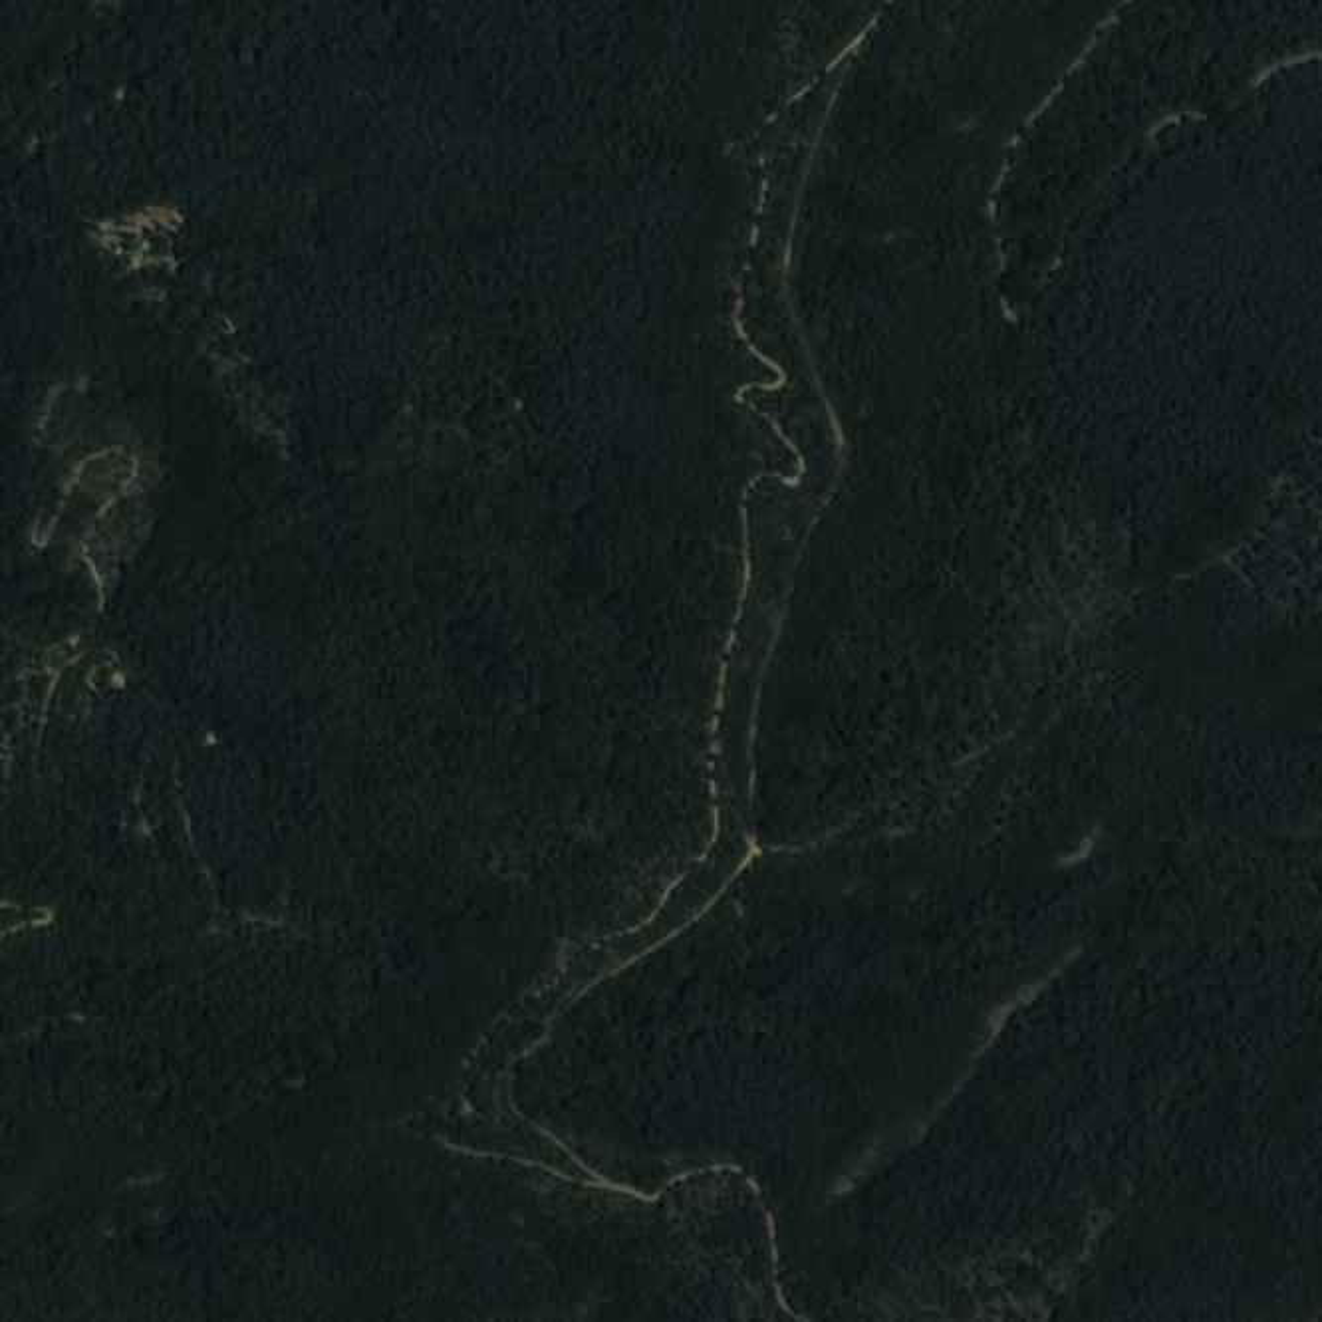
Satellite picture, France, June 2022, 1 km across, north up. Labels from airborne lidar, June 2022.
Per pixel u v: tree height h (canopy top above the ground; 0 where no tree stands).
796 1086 12
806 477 7
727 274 8
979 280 11
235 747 18
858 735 7
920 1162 10
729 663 9
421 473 9
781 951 8
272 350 11
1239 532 7
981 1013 10
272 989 10
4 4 8
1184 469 16
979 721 8
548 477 12
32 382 7
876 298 14
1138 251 18
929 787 17
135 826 13
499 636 17
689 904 8
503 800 10
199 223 9
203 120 15
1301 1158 7
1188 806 6
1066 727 6
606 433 11
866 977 18
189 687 14
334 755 11
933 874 6
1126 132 16
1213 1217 6
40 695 9
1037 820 14
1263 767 18
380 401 12
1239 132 12
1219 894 12
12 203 10
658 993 9
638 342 12
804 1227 7
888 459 10
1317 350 14
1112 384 15
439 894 9
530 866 8
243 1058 10
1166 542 8
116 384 8
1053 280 10
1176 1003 6
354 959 14
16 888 7
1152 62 18
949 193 19
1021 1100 8
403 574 11
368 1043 13
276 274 8
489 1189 7
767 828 16
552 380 7
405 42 14
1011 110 6
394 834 13
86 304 6
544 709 12
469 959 9
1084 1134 15
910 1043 7
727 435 7
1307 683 7
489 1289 13
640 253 11
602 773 7
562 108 10
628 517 11
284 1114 13
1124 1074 8
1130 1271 12
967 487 10
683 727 8
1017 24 7
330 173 9
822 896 8
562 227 14
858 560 9
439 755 12
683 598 11
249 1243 13
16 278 15
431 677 14
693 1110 13
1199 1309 15
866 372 15
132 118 8
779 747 10
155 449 6
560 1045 7
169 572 10
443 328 8
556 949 9
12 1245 13
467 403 13
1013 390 16
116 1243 17
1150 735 10
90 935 9
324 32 8
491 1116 18
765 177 10
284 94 9
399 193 8
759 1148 13
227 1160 12
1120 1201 16
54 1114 8
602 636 8
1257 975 19
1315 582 15
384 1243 9
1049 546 6
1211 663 7
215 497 9
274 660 8
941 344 8
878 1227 8
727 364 7
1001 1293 12
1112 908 6
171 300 8
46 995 10
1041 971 6
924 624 10
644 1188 14
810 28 7
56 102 9
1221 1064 8
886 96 12
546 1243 7
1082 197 11
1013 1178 8
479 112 13
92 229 13
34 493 11
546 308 9
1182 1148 13
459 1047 9
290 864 10
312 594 14
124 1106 11
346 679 15
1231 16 12
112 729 12
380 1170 8
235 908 12
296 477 10
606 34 11
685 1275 6
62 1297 10
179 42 9
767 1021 11
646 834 6
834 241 11
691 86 12
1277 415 8
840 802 10
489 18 10
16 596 17
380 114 14
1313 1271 6
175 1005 9
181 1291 10
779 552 8
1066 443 13
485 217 10
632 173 8
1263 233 18
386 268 8
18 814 11
